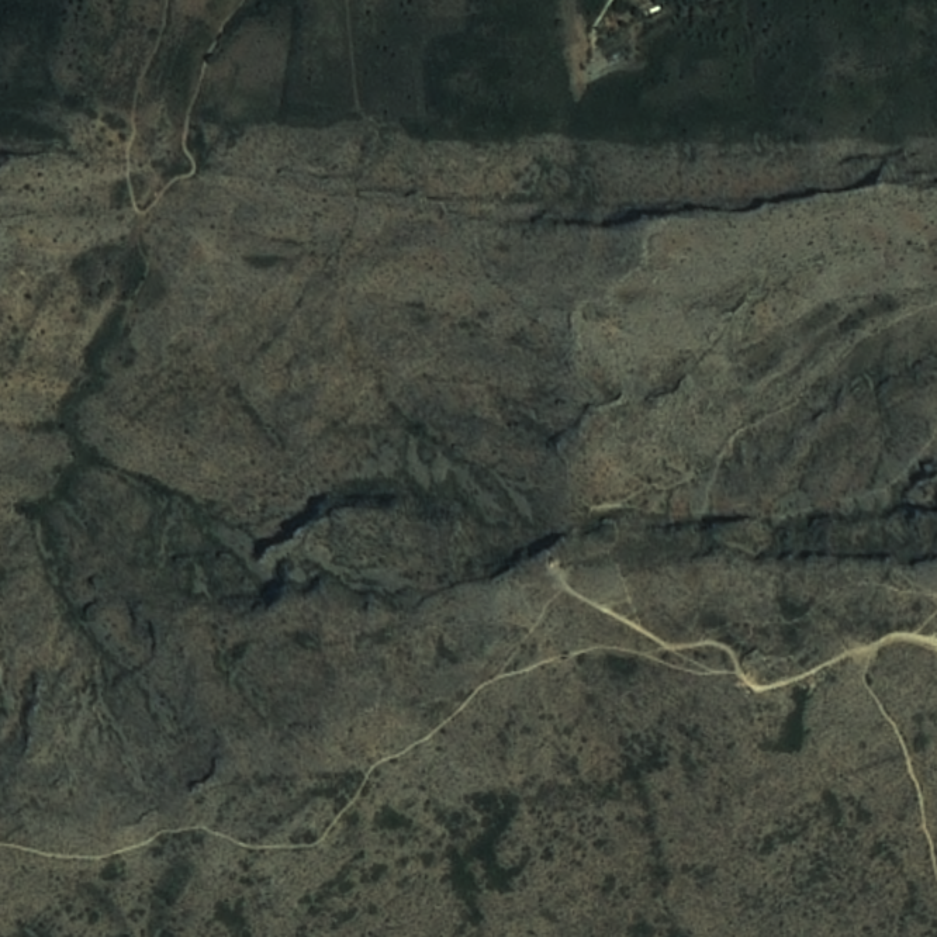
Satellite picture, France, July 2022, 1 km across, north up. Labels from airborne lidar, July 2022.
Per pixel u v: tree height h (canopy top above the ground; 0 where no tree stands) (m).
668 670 0
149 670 0
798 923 0
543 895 0
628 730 0
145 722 0
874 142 0
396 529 0
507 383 0
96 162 0
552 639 0
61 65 0
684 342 0
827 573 0
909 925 0
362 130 0
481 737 0
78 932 0
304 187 0
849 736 0
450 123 0
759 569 0
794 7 0
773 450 0
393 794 0
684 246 0
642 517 0
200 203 0
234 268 0
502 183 0
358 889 0
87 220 0
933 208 0
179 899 0
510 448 0
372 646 0
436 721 0
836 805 0
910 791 0
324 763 0
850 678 0
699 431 0
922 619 0
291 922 0
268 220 0
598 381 0
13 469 0
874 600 0
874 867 0
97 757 0
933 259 0
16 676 0
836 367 0
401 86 0
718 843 0
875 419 0
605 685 0
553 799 0
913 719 0
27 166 0
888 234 0
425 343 0
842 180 0
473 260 0
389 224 0
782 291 0
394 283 0
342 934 0
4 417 0
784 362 0
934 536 0
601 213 0
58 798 0
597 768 0
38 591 0
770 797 0
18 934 0
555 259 0
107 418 0
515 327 0
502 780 0
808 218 0
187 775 0
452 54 0
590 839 0
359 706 0
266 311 0
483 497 0
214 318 0
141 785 0
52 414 0
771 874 0
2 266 0
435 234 0
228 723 0
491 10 0
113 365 0
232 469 0
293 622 0
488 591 0
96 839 0
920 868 0
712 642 0
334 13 0
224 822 0
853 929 0
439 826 0
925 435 0
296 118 0
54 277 0
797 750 0
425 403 0
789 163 0
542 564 0
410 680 0
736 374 0
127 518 0
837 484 0
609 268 0
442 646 0
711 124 0
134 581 0
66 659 0
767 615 0
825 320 0
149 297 0
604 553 0
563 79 0
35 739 0
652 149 0
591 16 8
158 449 0
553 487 0
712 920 0
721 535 0
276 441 0
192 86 0
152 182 0
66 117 0
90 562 0
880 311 0
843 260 0
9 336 0
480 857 0
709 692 0
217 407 0
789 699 0
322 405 0
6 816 0
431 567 0
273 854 0
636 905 0
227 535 0
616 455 0
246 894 0
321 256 0
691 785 0
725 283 0
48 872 0
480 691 0
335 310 0
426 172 0
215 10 0
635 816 0
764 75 0
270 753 0
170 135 0
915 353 0
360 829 0
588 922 0
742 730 0
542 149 0
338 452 0
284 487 0
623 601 0
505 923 0
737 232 0
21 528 0
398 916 0
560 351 0
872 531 0
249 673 0
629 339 0
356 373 0
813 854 0
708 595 0
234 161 0
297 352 0
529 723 0
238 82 0
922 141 0
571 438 0
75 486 0
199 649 0
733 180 0
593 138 0
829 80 0
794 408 0
